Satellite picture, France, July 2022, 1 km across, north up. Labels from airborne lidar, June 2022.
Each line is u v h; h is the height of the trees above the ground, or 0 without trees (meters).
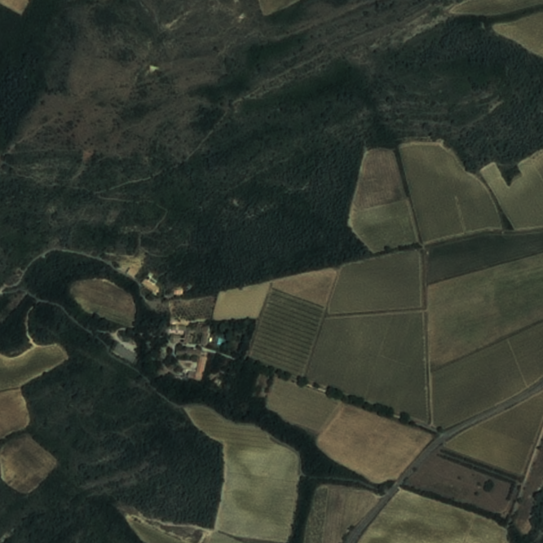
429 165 0
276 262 9
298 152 6
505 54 8
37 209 10
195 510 11
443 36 8
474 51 8
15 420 0
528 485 0
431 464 0
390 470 0
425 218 0
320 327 0
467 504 7
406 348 0
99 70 0
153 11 0
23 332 6
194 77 0
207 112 8
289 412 0
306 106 5
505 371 0
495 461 0
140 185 10
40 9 7
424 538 0
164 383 13
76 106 0
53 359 0
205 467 12
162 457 9
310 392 0
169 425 13
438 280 0
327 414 0
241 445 0
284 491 0
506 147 14
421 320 0
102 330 10
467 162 13
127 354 0
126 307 0
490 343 0
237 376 10
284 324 0
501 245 0
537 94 12
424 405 0
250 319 7
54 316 7
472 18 7
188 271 10
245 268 6
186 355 8
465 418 0
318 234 14
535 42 0
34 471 0
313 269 11
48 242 8
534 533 6
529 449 0
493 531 0
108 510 11
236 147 6
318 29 0
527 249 0
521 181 0
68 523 13
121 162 7
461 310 0
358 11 0
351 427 0
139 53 0
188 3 0
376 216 0
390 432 0
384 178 0
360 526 0
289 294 0
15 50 9
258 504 0
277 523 0
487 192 0
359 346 0
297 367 0
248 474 0
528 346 0
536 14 0
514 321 0
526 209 0
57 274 10
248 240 8
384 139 7
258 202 9
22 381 0
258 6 0
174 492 9
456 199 0
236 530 0
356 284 0
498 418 0
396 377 0
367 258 19
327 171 9
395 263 0
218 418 0
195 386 6
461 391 0
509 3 0
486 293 0
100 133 0
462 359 0
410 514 0
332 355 0
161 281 7
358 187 0
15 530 5
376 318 0
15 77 9
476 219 0
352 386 0
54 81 0
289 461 0
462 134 6
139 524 0
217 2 0
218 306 0
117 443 9
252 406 14
